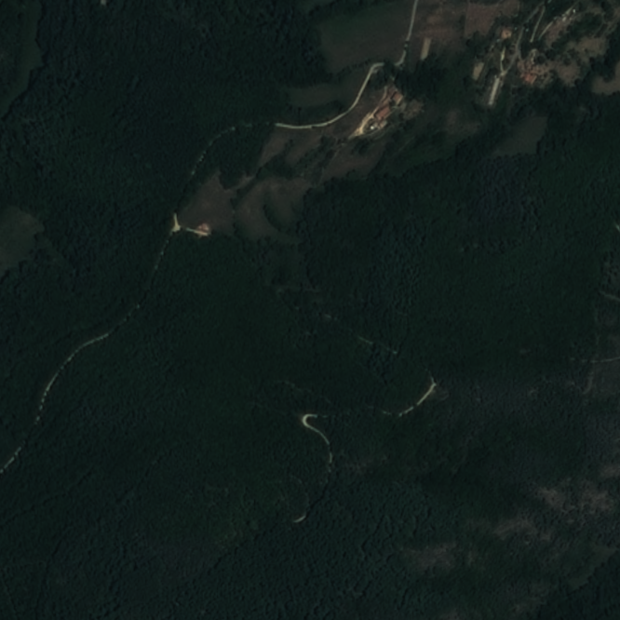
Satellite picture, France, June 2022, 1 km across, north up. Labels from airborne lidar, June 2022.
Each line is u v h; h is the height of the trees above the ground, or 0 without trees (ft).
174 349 28
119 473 40
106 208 63
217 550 46
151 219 58
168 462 29
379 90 26
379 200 35
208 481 40
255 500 35
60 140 51
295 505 25
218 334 36
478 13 0
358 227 45
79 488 45
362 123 0
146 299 36
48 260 60
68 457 46
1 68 47
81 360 35
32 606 40
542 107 37
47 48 31
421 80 42
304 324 36
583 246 35
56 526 29
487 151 38
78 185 48
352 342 39
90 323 37
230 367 38
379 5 28
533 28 34
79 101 41
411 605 78
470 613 25
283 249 44
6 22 57
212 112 43
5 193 40
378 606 53
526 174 41
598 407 47
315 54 74
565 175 34
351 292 43
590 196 44
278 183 0
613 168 40
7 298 58
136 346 37
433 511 81
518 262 35
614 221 31
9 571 27
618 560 79
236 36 69
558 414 43
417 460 20
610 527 47
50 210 46
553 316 37
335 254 30
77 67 43
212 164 34
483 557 25
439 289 43
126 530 33
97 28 43
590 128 34
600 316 20
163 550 52
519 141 0
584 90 80
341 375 37
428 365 44
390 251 71
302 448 34
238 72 65
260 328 44
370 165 0
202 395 41
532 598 45
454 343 35
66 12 56
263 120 39
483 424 31
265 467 44
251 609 77
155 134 58
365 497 81
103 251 49
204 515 33
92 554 54
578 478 47
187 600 77
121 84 33
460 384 39
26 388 37
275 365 44
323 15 53
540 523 54
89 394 31
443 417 41
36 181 19
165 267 39
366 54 0
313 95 0
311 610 33
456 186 44
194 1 57
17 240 0
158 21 56
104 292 43
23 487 44
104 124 47
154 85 51
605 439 46
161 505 37
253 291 58
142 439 38
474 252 51
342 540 85
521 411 38
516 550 33
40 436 38
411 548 38
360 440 47
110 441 31
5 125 53
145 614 57
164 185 46
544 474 33
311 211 36
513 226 39
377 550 74
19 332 52
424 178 36
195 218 0
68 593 31
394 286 71
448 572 24
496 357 30
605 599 62
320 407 31
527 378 37
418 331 32
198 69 54
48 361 37
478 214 48
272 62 54
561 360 34
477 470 62
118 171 40
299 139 0
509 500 39
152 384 34
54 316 43
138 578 86
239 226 35
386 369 36
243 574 72
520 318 41
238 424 42
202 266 59
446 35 0
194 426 42
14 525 40
